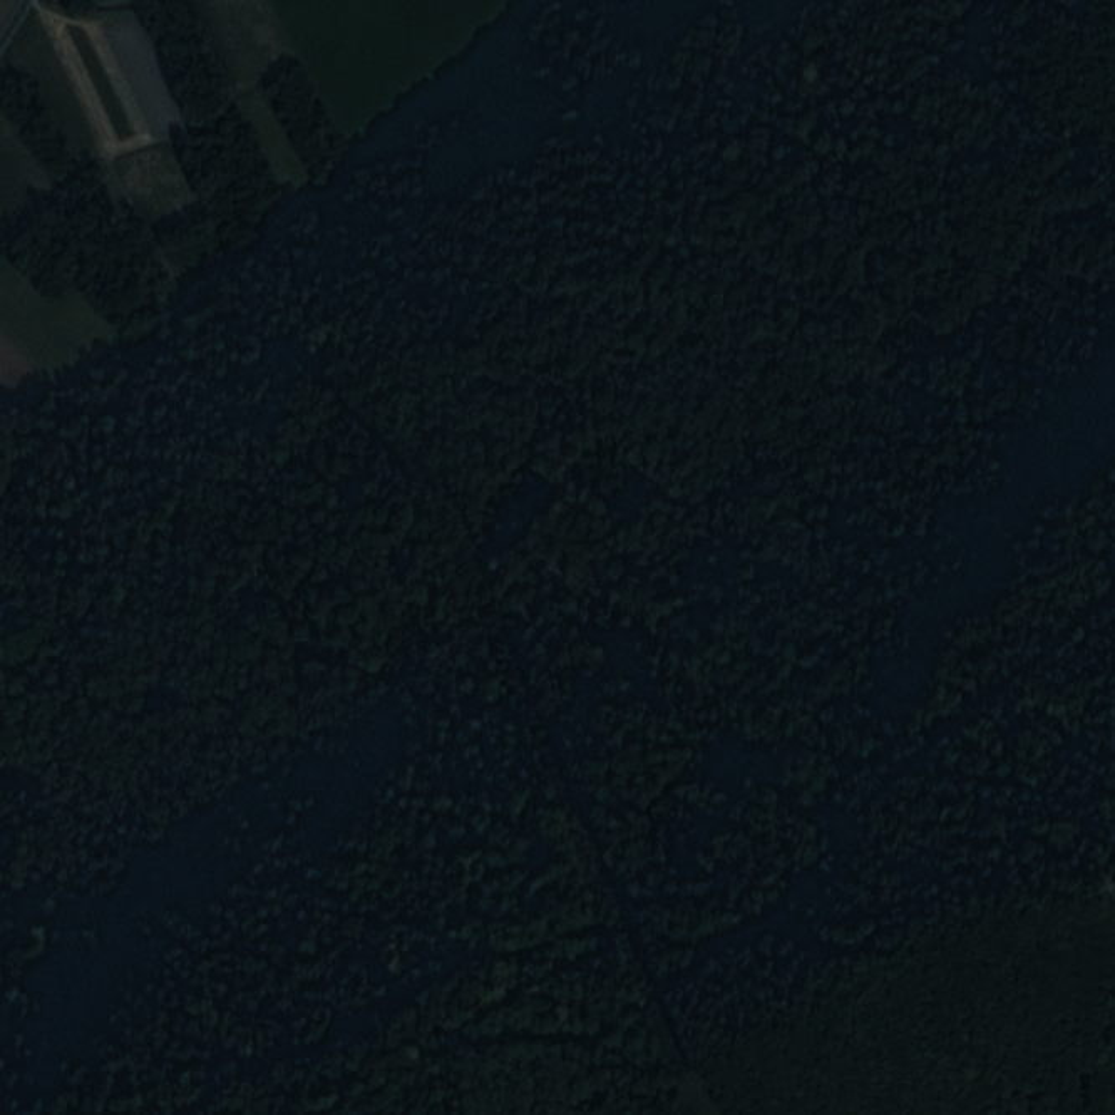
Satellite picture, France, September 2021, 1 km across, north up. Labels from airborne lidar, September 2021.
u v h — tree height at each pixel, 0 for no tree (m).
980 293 31
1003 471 35
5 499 13
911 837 31
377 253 29
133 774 35
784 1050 14
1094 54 23
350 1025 13
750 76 28
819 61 13
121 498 29
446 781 9
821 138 29
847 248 28
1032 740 31
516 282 30
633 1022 26
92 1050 33
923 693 32
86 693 26
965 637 30
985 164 25
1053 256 31
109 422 34
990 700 16
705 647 26
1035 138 27
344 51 0
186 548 29
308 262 30
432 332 29
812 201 24
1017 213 25
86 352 0
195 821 17
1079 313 31
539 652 30
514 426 31
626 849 25
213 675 32
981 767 33
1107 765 31
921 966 16
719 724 9
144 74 0
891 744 22
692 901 30
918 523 33
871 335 30
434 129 17
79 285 22
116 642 31
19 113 6
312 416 24
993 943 22
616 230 35
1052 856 29
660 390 28
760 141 33
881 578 33
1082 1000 22
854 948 29
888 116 21
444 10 0
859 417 33
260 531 33
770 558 31
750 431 31
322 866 32
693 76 31
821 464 21
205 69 21
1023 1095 24
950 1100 22
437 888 27
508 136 31
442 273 31
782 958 23
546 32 33
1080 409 36
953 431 31
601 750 25
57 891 28
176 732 33
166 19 21
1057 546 28
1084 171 22
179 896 11
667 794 8
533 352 27
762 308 28
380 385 25
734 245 24
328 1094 25
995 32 37
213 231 20
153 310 11
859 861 38
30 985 22
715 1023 26
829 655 33
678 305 27
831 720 31
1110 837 31
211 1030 28
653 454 31
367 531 31
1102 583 24
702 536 21
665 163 28
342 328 29
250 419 27
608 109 32
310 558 31
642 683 7
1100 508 31
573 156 32
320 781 28
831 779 25
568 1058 22
